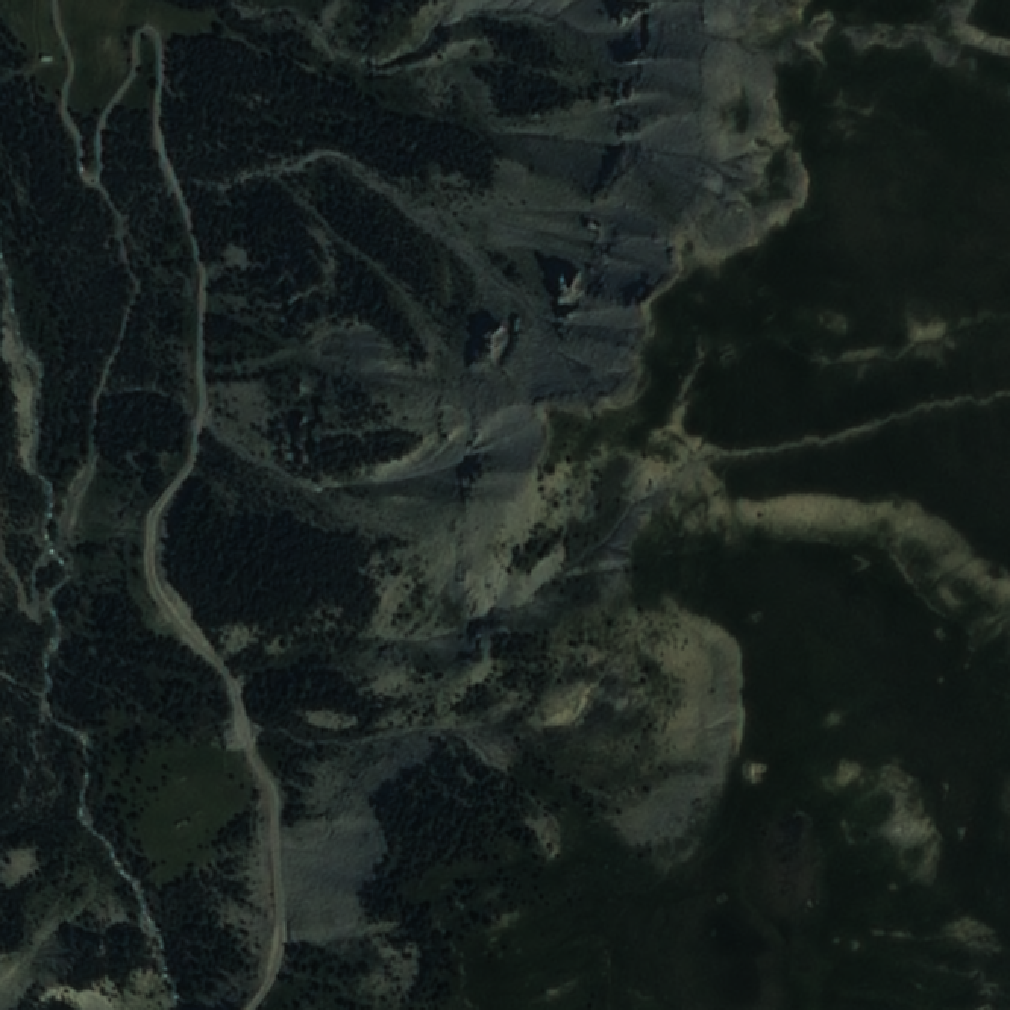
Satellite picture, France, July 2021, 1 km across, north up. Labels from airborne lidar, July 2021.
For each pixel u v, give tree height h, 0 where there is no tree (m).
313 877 0
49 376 7
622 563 0
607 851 0
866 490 0
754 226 0
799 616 0
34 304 11
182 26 0
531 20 0
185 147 12
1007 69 0
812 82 0
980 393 0
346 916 0
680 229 0
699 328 0
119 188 11
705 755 0
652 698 0
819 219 0
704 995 0
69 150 12
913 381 0
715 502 0
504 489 0
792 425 0
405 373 0
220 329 13
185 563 13
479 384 0
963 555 0
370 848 0
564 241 0
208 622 10
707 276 0
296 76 12
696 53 0
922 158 0
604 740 0
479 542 0
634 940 0
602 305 0
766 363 0
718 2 0
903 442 0
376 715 9
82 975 12
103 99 0
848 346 0
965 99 0
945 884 0
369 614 11
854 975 0
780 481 0
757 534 0
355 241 11
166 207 10
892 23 0
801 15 0
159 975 7
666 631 0
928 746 0
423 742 0
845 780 0
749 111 0
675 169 0
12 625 6
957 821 0
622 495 0
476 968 0
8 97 8
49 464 10
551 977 0
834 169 0
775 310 0
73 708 10
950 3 0
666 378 0
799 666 0
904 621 0
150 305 7
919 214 0
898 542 0
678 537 0
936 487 0
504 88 11
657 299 0
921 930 0
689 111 0
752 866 0
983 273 0
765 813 0
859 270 0
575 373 0
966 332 0
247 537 11
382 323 12
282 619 11
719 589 0
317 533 13
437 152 14
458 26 0
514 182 0
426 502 0
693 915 0
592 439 0
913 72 0
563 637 0
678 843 0
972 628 0
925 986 0
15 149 13
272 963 0
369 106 8
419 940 11
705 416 0
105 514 0
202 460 7
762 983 0
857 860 0
